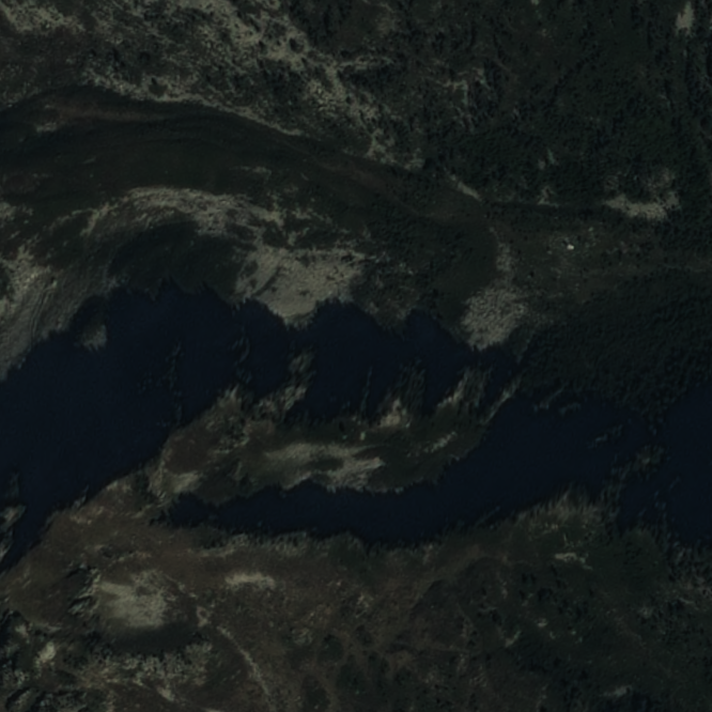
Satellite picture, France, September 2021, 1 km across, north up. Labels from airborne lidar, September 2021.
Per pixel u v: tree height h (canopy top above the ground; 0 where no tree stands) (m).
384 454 0
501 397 8
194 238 0
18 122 0
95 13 0
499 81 15
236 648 0
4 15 0
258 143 0
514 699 0
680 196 9
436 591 0
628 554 7
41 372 0
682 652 0
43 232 0
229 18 0
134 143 0
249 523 8
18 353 0
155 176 0
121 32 0
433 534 6
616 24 9
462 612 0
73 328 0
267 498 0
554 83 0
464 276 0
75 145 0
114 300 0
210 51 0
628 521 12
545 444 11
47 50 0
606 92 7
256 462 0
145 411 0
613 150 6
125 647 0
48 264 0
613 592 0
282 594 0
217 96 0
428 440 0
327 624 0
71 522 0
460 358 0
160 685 0
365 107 0
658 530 28
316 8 0
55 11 0
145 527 0
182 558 0
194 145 0
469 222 0
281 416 15
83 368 0
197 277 0
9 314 0
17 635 0
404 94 7
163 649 0
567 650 0
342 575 0
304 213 0
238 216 0
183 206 0
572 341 6
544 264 0
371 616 0
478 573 0
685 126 8
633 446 6
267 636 0
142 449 0
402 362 10
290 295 0
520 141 18
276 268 0
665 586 0
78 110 0
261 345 11
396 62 8
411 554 10
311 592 0
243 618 0
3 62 0
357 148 0
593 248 0
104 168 0
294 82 6
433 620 0
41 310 0
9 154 0
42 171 0
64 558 0
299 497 0
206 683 0
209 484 0
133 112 0
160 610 0
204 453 0
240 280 0
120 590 0
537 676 8
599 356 6
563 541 0
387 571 0
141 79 0
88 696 0
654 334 7
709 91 12
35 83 0
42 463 0
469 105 0
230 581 0
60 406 0
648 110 9
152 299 0
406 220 6
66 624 0
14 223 0
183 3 0
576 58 0
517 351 0
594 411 8
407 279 7
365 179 0
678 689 0
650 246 6
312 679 0
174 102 0
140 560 0
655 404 8
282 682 0
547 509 10
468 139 6
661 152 7
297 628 0
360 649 0
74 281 0
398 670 0
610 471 13
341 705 0
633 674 0
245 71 0
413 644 0
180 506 0
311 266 0
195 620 0
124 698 0
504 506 15
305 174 0
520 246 0
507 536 0
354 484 0
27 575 0
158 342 6
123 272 0
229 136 0
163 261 0
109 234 0
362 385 15
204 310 0
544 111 8
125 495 0
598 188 10
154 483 0
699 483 10
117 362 0
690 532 6
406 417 17
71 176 0
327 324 0
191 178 0
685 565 11
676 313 7
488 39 0
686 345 8
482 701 0
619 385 6
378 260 0
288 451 0
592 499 7
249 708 0
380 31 0
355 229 0
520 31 0
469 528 9
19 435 0
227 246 0
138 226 0
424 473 0
